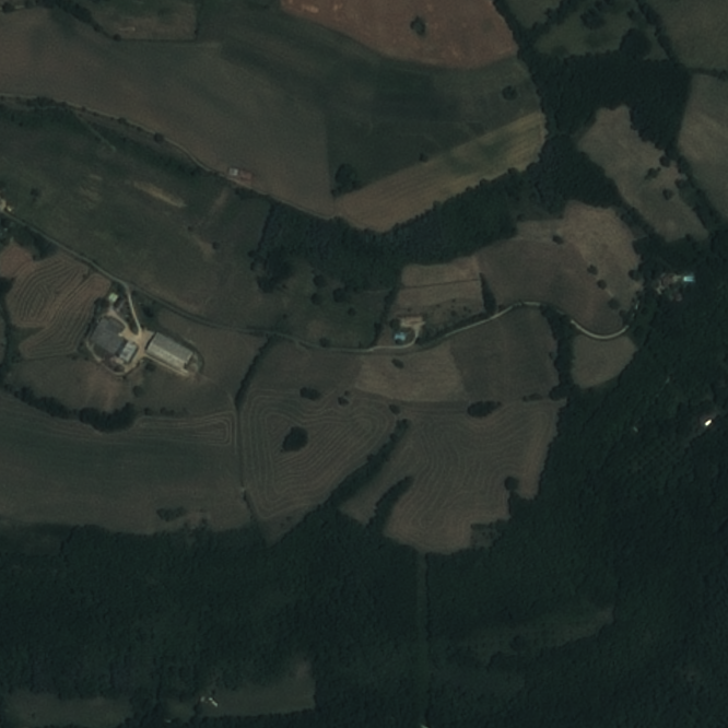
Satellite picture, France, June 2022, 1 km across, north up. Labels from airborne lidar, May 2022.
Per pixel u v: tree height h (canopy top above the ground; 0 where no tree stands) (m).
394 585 16
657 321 13
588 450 16
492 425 0
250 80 0
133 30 0
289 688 0
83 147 0
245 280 0
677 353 14
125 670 18
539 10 0
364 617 13
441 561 12
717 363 9
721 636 12
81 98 0
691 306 14
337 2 0
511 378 0
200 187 0
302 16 0
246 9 0
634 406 16
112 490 0
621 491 21
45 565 12
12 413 0
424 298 0
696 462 19
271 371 0
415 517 0
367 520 0
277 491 0
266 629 7
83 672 21
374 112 0
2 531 0
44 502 0
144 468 0
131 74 0
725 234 12
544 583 14
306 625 18
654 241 13
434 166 0
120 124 10
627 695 18
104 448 0
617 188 13
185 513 7
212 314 0
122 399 0
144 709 12
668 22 0
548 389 0
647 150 0
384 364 0
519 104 0
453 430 0
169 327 0
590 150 0
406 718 15
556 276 0
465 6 0
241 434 0
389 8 0
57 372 0
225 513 0
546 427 0
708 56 0
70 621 18
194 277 0
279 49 0
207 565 13
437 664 14
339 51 0
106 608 18
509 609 19
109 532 7
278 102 0
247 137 0
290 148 0
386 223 0
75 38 0
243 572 12
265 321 0
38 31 0
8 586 15
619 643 16
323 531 26
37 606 21
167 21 0
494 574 12
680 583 18
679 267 10
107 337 0
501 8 14
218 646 13
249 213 0
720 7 0
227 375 0
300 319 0
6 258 0
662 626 8
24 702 0
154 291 0
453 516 0
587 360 0
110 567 15
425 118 0
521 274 0
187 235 0
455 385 0
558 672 15
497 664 18
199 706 8
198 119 0
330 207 0
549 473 15
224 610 17
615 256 0
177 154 0
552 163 14
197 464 0
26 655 7
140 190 0
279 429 0
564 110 17
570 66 21
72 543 14
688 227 0
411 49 0
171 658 13
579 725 19
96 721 0
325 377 0
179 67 0
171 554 8
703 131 0
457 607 15
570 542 14
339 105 0
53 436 0
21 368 0
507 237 6
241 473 0
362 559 15
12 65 0
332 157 0
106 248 0
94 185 0
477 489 0
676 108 11
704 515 16
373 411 0
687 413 14
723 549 19
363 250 12
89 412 19
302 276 0
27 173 0
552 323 13
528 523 12
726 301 12
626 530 19
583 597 7
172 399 0
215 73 0
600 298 0
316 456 0
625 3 0
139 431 0
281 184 0
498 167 0
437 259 7
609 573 9
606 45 0
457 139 0
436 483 0
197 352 0
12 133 0
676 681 13
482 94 0
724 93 0
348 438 0
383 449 8
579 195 16
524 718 22
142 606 15
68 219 0
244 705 0
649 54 12
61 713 0
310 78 0
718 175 0
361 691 12
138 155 0
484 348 0
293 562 13
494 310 12
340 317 0
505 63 0
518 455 0
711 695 10
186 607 13
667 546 20
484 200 6
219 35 0
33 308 0
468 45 0
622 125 0
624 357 0
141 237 0
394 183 0
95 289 0
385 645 12
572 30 0
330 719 26
